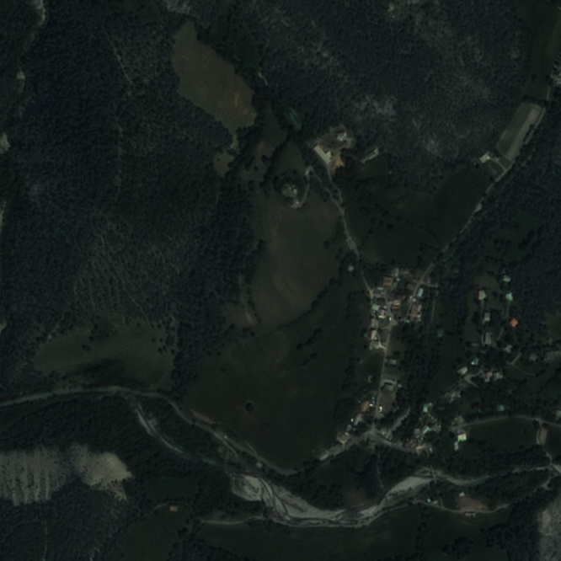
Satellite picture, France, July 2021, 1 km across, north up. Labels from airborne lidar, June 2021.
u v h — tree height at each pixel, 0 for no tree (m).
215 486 8
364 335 10
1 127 10
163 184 17
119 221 13
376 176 0
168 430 7
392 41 16
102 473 0
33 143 11
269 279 0
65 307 14
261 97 13
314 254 0
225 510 6
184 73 0
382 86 7
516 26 17
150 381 0
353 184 12
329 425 0
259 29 9
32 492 0
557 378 16
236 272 18
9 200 11
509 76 11
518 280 16
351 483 0
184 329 15
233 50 7
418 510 0
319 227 0
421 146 7
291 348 0
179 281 14
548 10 0
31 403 12
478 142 7
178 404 8
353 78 7
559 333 0
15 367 14
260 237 0
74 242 15
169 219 15
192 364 15
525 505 12
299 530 0
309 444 0
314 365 0
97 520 14
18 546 14
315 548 0
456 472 10
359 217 0
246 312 0
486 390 13
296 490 10
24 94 6
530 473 8
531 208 20
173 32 14
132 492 10
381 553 0
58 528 13
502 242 9
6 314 12
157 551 0
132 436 7
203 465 9
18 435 12
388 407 0
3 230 8
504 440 0
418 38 7
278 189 12
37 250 14
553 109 12
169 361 0
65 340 0
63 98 17
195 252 9
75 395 8
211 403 0
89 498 15
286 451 0
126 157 16
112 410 8
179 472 12
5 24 22
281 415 0
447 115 7
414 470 7
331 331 0
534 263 20
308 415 0
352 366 14
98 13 22
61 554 13
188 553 10
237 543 0
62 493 10
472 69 11
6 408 11
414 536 0
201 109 12
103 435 10
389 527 0
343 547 0
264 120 12
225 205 21
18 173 14
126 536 12
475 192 0
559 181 20
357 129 7
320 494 13
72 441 6
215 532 0
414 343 16
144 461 12
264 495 0
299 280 0
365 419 0
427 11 10
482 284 0
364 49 12
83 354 0
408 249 0
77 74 16
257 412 0
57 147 11
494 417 10
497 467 9
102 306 14
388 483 7
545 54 0
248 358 0
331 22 10
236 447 0
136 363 0
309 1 7
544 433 0
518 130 0
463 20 6
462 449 0
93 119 18
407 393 9
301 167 0
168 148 16
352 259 15
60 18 18
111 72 13
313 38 5
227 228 7
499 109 9
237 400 0
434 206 0
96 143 21
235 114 0
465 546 15
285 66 8
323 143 0
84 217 9
